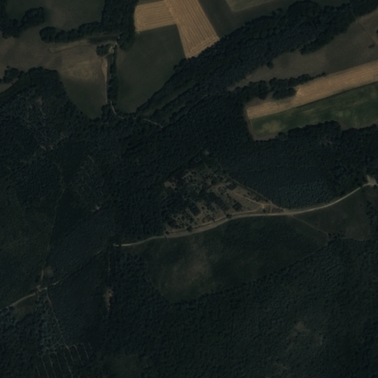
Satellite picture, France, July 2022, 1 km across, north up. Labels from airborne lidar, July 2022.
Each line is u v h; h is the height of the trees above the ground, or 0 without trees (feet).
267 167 40
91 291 45
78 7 0
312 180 40
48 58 0
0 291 25
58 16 0
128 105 0
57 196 32
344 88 0
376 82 0
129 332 53
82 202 45
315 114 0
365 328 27
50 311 47
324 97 0
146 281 69
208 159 44
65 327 48
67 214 29
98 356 74
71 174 36
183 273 0
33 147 43
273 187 44
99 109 0
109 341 68
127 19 46
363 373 72
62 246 47
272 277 51
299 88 0
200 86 62
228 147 88
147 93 0
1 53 0
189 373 53
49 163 48
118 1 53
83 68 0
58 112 45
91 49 0
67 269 52
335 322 49
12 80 28
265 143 48
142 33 0
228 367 40
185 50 0
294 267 56
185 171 39
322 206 0
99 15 0
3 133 66
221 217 0
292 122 0
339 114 0
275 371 26
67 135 47
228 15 0
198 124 72
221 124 89
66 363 36
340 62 0
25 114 56
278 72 0
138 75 0
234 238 22
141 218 56
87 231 52
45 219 21
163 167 80
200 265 0
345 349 50
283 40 76
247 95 59
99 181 52
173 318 71
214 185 51
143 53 0
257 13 0
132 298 69
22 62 0
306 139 94
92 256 34
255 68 46
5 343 34
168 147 75
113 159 61
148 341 67
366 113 0
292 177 40
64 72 0
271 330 54
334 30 51
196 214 51
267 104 0
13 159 37
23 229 24
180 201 65
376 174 73
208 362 34
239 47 56
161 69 0
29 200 35
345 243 26
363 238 0
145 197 70
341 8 32
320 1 0
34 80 57
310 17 39
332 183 64
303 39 73
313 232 0
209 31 0
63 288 43
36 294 27
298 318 28
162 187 20
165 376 65
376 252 26
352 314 64
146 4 0
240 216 0
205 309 69
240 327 36
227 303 46
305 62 0
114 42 0
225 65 69
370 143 28
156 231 68
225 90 75
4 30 66
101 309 73
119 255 56
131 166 54
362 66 0
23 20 20
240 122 68
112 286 60
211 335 55
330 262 26
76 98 0
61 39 62
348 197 0
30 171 58
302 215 0
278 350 34
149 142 51
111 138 79
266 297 54
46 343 65
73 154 37
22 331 40
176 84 46
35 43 0
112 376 23
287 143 54
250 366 48
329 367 29
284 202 42
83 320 50
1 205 25
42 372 29
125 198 68
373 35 0
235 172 37
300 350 21
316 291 21
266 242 33
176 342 68
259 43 66
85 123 41
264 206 0
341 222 0
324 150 58
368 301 53
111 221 56
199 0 0
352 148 76
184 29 0
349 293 58
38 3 0
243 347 19
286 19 60
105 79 0
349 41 0
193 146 51
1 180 20
